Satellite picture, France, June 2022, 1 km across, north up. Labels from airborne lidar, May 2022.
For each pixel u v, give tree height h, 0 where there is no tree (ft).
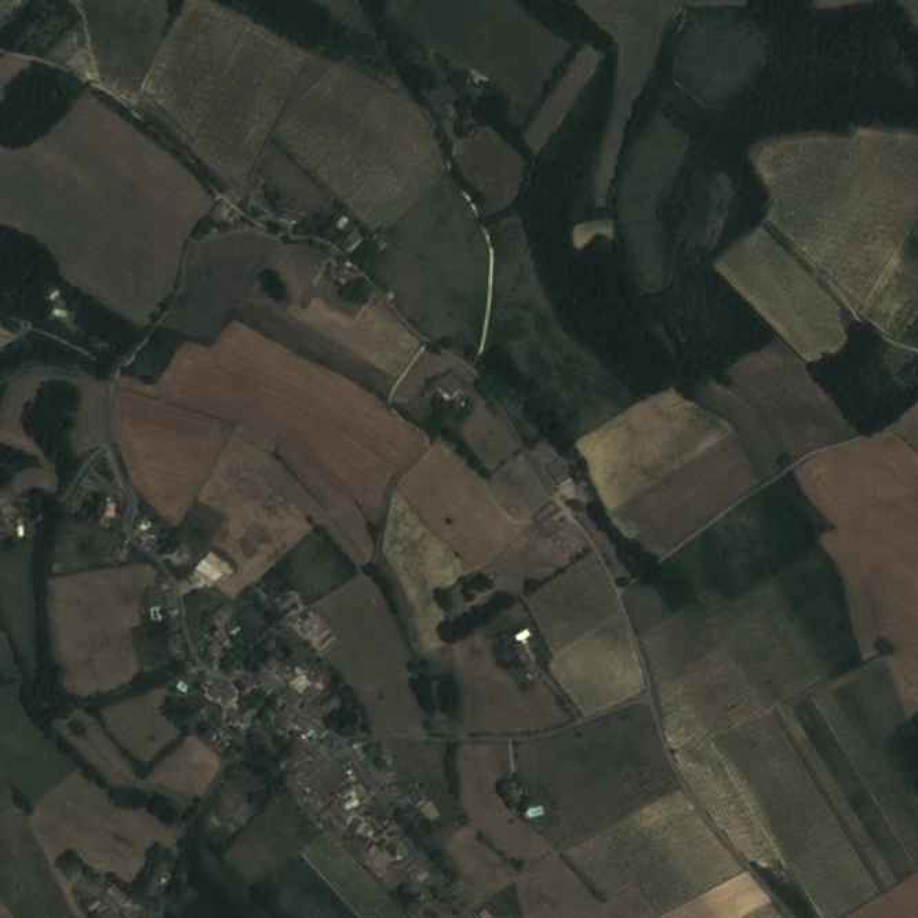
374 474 0
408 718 0
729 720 0
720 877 0
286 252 0
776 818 0
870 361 32
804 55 19
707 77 0
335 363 0
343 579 0
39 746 0
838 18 26
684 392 58
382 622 0
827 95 28
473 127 19
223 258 0
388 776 0
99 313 18
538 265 20
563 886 0
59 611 0
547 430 54
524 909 0
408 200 0
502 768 0
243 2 31
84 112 0
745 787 0
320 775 0
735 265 0
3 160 0
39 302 44
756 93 24
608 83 31
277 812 0
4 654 0
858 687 0
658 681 0
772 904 0
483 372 39
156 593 0
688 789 0
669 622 0
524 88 0
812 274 0
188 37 0
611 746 0
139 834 0
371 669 0
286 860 0
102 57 0
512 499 0
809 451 0
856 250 0
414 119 0
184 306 0
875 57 32
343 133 0
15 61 0
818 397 0
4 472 48
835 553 0
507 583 0
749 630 0
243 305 0
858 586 0
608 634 0
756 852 0
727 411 0
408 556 0
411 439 0
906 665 0
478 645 0
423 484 0
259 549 0
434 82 32
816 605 0
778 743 0
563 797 0
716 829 0
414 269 0
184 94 0
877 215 0
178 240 0
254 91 0
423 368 0
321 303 0
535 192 48
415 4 0
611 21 0
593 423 0
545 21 53
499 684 0
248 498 0
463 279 0
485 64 0
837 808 0
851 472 0
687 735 0
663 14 0
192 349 0
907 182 0
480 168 0
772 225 0
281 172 0
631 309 52
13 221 0
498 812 0
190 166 24
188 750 0
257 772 29
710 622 0
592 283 37
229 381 0
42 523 31
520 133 41
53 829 0
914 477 0
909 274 0
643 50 0
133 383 0
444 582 0
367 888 0
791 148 0
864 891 0
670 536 0
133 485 0
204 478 0
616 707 0
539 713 0
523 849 0
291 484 0
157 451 0
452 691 97
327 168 0
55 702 44
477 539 0
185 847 48
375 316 0
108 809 0
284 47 0
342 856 0
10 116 24
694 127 30
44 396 61
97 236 0
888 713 0
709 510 0
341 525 0
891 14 42
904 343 0
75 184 0
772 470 0
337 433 0
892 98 52
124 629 0
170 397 0
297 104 0
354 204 0
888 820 0
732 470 0
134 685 30
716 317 23
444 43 0
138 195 0
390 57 25
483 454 0
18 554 0
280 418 0
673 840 0
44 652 32
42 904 0
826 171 0
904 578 0
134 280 0
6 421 0
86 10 0
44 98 29
